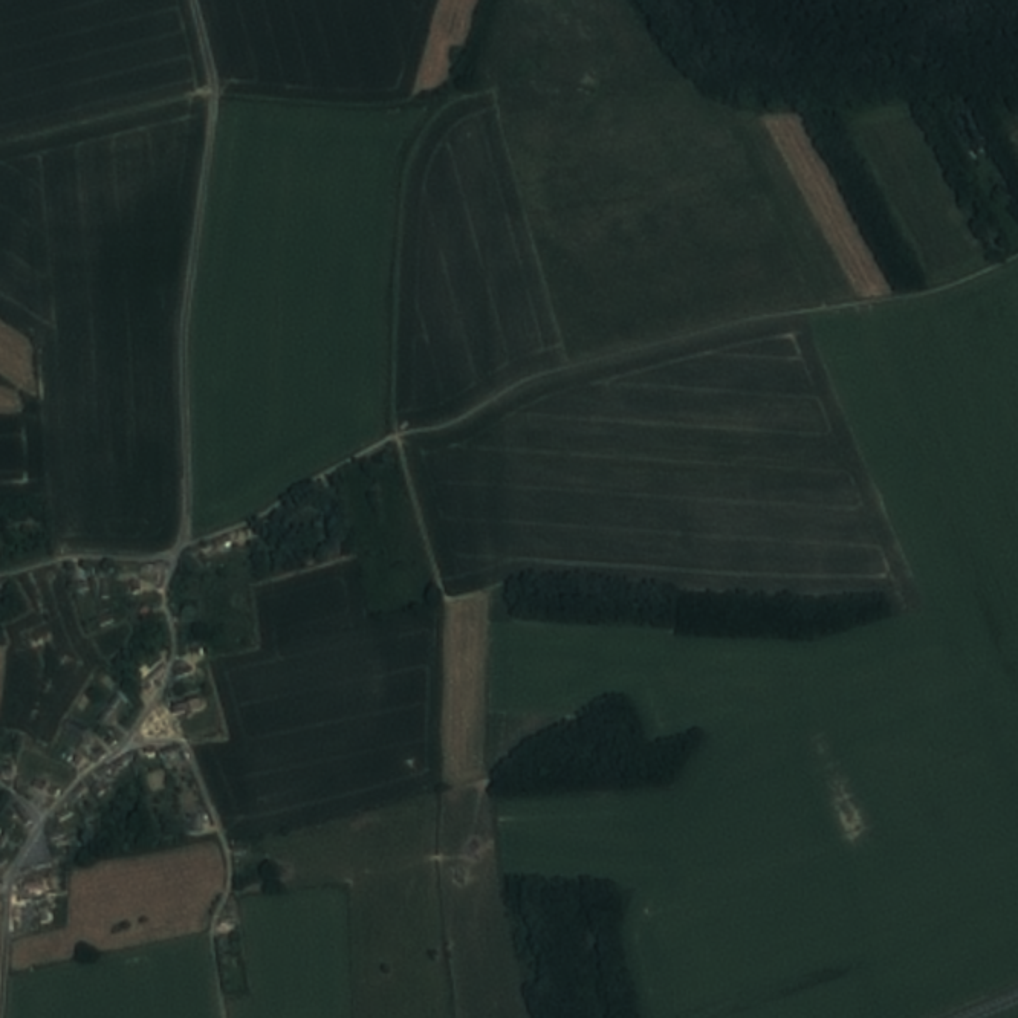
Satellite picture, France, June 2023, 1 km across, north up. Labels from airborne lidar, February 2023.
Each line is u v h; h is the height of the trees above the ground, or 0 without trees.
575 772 18
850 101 24
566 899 20
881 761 0
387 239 0
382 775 0
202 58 0
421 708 0
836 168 12
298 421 0
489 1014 0
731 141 0
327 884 0
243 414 0
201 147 0
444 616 0
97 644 0
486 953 0
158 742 0
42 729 0
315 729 0
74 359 0
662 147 0
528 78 0
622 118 0
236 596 0
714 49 20
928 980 0
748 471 0
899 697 0
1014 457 0
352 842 0
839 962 0
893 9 18
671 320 0
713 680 0
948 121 6
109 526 0
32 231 0
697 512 0
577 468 0
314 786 0
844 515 0
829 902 0
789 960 0
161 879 0
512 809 0
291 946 0
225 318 0
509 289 0
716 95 16
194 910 0
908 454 0
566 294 0
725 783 0
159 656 11
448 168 0
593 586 17
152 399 0
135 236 0
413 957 0
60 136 0
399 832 0
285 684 0
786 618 10
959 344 0
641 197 0
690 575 0
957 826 0
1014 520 0
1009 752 0
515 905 7
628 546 0
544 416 0
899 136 0
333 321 0
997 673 0
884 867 0
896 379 0
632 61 0
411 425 0
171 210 0
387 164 0
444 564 0
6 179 0
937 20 14
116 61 0
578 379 0
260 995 0
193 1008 0
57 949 0
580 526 0
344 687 0
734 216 0
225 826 0
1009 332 0
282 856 0
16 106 0
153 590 0
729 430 0
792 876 0
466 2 0
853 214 11
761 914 0
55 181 0
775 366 0
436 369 0
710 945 0
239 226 0
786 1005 0
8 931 0
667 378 0
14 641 0
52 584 0
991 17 19
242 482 0
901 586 0
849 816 0
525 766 17
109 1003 0
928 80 22
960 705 0
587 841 0
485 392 0
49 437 0
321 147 0
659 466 0
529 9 0
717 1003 0
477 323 0
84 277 0
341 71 0
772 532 0
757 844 0
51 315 0
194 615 11
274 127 0
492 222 0
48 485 0
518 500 0
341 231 0
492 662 0
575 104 0
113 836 8
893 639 0
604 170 0
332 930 0
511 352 0
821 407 0
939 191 0
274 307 0
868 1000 0
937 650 0
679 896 0
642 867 0
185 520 0
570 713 0
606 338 0
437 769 0
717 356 0
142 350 0
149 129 0
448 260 0
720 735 0
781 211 0
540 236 0
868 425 0
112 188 0
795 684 0
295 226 0
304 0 0
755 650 0
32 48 0
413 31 0
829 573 0
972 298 0
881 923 0
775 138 0
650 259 0
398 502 0
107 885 0
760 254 0
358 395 0
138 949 0
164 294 0
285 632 0
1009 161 20
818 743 0
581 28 0
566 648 0
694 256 0
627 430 0
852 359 0
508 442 0
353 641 0
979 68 24
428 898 0
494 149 0
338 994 0
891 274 13
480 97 0
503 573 0
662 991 0
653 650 0
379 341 0
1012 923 0
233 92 0
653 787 14
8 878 0
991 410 0
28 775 0
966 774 0
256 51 0
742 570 0
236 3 0
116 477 0
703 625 8
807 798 0
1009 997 0
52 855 7
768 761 0
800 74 22
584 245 0
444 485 0
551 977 20
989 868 0
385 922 0
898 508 0
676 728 0
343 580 0
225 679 0
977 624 0
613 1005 21
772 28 21
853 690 0
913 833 0
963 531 0
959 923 0
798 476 0
